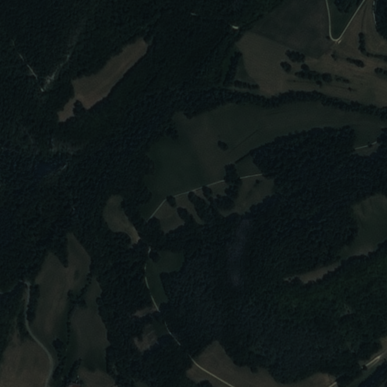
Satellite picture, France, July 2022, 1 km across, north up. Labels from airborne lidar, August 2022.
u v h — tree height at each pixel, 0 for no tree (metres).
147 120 22
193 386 16
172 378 21
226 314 19
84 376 0
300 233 25
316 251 22
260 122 0
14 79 17
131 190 23
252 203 0
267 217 25
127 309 22
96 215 15
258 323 21
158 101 27
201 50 15
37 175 9
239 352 17
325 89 0
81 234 23
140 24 19
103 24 17
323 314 19
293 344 22
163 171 0
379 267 10
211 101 24
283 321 21
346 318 20
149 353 22
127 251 23
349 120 0
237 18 21
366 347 23
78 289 0
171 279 14
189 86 18
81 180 22
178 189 0
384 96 0
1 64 11
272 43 0
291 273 16
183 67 14
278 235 26
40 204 18
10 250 26
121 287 19
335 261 9
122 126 27
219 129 0
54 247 16
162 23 25
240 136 0
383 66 0
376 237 0
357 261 23
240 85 13
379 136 0
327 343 18
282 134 0
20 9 22
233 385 0
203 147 0
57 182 14
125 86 12
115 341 23
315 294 13
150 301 20
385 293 15
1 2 20
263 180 0
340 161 25
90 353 0
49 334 0
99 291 0
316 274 0
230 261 22
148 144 22
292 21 0
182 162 0
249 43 0
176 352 22
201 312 22
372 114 11
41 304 0
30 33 21
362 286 14
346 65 0
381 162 29
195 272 17
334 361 20
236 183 18
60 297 0
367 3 0
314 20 0
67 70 15
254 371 15
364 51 18
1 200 23
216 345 0
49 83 18
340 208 26
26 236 23
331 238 20
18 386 0
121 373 18
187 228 21
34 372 0
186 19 22
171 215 0
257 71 0
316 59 0
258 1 15
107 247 20
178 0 21
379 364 0
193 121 0
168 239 17
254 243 18
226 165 0
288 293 15
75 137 16
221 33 16
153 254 15
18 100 17
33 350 0
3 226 24
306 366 21
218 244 20
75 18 8
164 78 21
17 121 12
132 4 12
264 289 10
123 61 0
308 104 0
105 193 22
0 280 17
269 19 0
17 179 29
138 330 20
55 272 0
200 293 15
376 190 22
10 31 17
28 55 12
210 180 0
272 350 15
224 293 23
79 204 24
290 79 0
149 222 15
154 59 16
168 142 0
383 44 0
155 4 19
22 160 22
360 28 0
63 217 9
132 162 24
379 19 20
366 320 9
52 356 0
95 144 26
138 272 14
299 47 0
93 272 20
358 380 0
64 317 0
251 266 20
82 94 0
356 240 0
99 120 19
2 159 19
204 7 19
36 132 15
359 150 0
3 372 0
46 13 20
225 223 23
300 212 24
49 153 21
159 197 0
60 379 0
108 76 0
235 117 0
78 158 27
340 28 0
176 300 17
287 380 13
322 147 19
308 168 24
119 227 0
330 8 0
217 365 0
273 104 22
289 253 18
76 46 19
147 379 23
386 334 7
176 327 15
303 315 13
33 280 18
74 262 0
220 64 17
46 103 10
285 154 30
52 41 18
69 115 0
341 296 16
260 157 24
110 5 22
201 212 18
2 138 23
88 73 20
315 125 0
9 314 16
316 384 0
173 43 22
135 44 0
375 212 0
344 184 27
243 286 20
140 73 17
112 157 23
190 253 16
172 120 18
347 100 0
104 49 18
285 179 29
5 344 14
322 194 27
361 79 0
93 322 0
